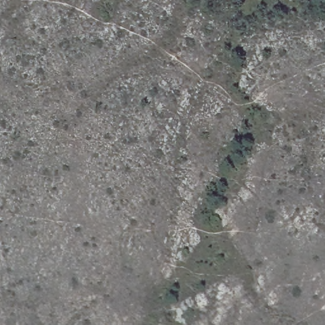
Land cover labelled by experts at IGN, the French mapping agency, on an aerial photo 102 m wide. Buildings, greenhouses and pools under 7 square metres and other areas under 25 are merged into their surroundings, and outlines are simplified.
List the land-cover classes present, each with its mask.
<instances>
[{"label":"bare soil","instance_id":"1","mask_svg":"<svg viewBox=\"0 0 325 325\"><path fill-rule=\"evenodd\" d=\"M100 0H0V325H140L141 319L147 316L141 306L146 297L145 288L168 281L176 262L183 258L178 248L193 251L194 246L199 244V232L206 235H231L234 248L248 259L253 269L254 279L258 281L255 284L258 295L246 298L242 296L241 284L244 281L235 275H229L221 284H209L192 300L187 298L176 305H171V311L176 312V321L182 322L183 325H325V22H321L322 19L315 15H303L302 10L288 8L282 3L275 4V9H281L286 13L284 18H274L273 23H264L265 32L239 37V47H235L226 42L230 36L229 22L216 23L213 22V14L204 15L196 8H183L185 0H123L118 5L116 17L110 15L109 22H105L103 18L93 17L89 13ZM225 48L236 52L241 60L246 58L248 66L241 70L239 85L250 96L248 102L245 100L239 103L232 100L230 91H227L225 86L216 84L212 79H203L201 75V70L215 63L218 52H223ZM253 104L263 105L265 109L281 114V123L273 128L272 145L264 142L254 143V149L248 157L245 187L240 190L236 199L216 209L217 215L222 218V230L197 229L192 220L196 209L201 207L203 202L198 193L204 192L213 180L220 179L217 176L218 150L229 145L236 135H240L244 121L237 110Z\"/></svg>","mask_w":325,"mask_h":325},{"label":"herbaceous vegetation","instance_id":"2","mask_svg":"<svg viewBox=\"0 0 325 325\"><path fill-rule=\"evenodd\" d=\"M123 0H100L89 13L93 17L103 18L105 22H109L110 15L116 17L118 5ZM282 3L288 8L302 10L300 0H185L183 8H196L204 15L213 14V22L216 23L229 22L230 36L226 42L235 47H239V37L265 32L264 23H273L274 18H284L286 13L281 9H275V4ZM215 63L201 70V75L203 79H212L216 84L225 86L227 91H230L232 100L239 103L245 100L248 102L250 96L239 85L241 70L248 66L246 58L241 60L236 52L225 48L223 52H218ZM244 121L240 135H236L229 145L218 150L217 176L220 179L213 180L204 192L198 193L203 202L201 207L196 209L192 220L197 229L222 230V218L217 215L216 209L236 199L240 190L245 187L248 157L254 149V143L264 142L272 145L273 128L281 123V114L265 109L263 105L253 104L237 110ZM199 244L194 246L193 251L178 248L183 258L176 262L168 281L145 288L146 297L141 306L147 316L141 319L140 325H183L182 322L176 321V312L171 311V305H176L187 298L192 300L209 284H221L229 275H235L244 281L241 284L242 296L246 298L258 295L255 284L258 281L254 279L253 269L248 259L234 248L231 235H206L199 232Z\"/></svg>","mask_w":325,"mask_h":325},{"label":"brushwood","instance_id":"3","mask_svg":"<svg viewBox=\"0 0 325 325\"><path fill-rule=\"evenodd\" d=\"M303 15H315L322 19L321 22H325V0H300Z\"/></svg>","mask_w":325,"mask_h":325}]
</instances>
